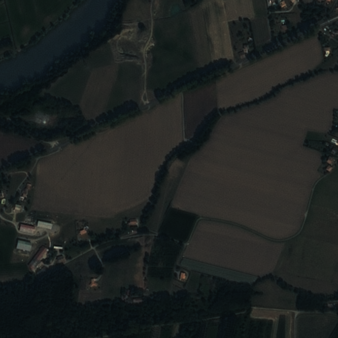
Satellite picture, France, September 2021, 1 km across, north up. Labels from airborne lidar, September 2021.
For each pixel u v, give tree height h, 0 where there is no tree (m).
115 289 0
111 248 0
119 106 0
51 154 0
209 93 0
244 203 0
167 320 18
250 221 0
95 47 15
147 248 0
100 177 0
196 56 0
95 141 0
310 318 0
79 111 12
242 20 9
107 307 22
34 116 0
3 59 8
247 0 0
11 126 18
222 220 0
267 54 24
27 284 12
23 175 0
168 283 0
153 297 9
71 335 18
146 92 0
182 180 0
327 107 0
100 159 0
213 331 0
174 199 0
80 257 0
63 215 0
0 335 22
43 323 23
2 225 0
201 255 0
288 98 0
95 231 0
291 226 0
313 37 0
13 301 18
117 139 0
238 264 0
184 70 0
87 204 0
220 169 0
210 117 16
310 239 0
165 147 0
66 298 15
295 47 0
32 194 0
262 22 0
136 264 0
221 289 11
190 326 23
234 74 0
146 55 0
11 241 0
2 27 0
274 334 0
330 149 7
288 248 0
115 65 0
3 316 17
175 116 0
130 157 0
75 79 0
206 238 0
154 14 0
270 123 0
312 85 0
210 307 12
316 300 18
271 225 0
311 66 0
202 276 9
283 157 0
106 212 0
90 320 11
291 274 0
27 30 0
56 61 20
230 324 26
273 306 0
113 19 13
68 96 0
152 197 7
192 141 9
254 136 0
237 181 0
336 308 13
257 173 0
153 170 0
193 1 11
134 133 0
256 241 0
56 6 0
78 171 0
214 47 0
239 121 0
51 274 15
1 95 22
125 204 0
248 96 0
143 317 21
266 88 0
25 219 0
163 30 0
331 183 0
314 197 0
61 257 0
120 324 28
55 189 0
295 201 0
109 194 0
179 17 0
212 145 0
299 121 0
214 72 27
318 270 0
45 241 0
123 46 0
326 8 6
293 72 0
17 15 0
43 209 0
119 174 0
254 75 0
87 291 0
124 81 0
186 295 23
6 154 0
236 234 0
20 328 16
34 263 0
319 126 0
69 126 10
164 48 0
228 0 0
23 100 10
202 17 0
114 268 0
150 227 0
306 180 0
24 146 0
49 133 11
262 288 0
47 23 0
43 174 0
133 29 0
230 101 0
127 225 10
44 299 13
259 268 0
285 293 0
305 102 0
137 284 0
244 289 18
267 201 0
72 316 16
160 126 0
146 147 0
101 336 22
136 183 0
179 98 0
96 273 16
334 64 0
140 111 26
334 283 0
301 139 0
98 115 0
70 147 0
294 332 0
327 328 0
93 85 0
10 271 0
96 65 0
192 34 0
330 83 0
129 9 0
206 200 0
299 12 0
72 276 11
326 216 0
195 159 0
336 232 0
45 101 16
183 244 10
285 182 0
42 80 17
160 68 0
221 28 0
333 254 0
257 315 0
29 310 17
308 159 0
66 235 0
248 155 0
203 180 0
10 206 0
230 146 0
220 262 0
